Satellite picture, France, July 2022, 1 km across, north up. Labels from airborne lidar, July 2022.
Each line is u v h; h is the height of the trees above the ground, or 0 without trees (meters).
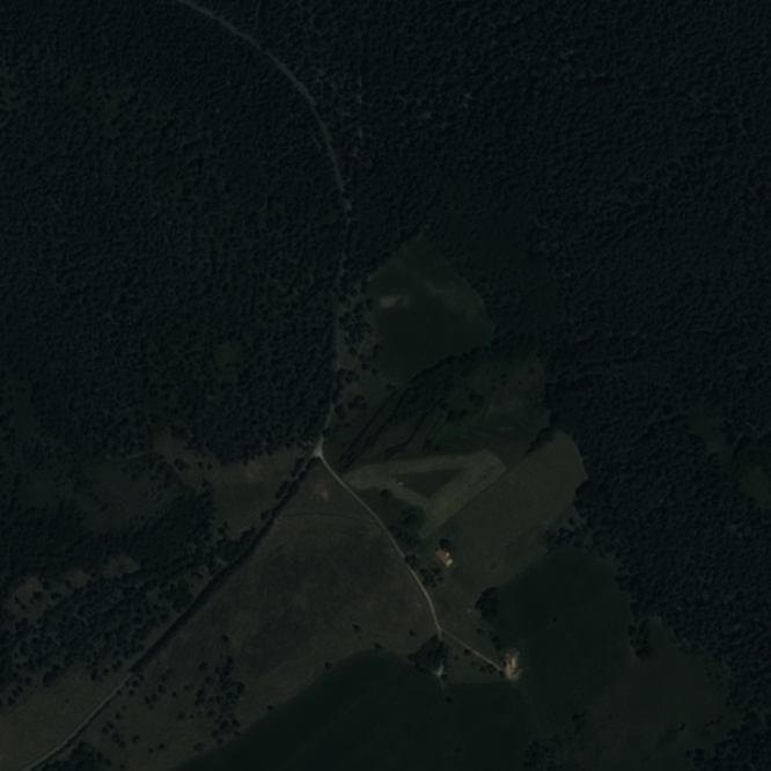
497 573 0
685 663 0
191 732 0
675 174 18
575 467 0
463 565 0
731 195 28
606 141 24
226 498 0
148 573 13
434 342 0
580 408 23
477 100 18
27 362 17
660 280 16
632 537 20
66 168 12
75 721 0
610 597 0
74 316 15
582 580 0
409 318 0
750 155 26
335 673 0
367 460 0
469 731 0
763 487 0
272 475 0
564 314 12
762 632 26
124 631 11
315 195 20
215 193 13
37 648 12
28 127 14
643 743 0
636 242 24
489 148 20
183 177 11
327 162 14
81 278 15
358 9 21
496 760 0
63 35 14
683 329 20
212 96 15
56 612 13
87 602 9
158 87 13
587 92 26
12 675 8
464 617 0
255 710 0
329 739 0
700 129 30
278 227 11
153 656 11
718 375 22
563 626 0
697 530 26
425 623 0
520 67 22
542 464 0
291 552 0
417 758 0
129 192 12
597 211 12
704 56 30
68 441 8
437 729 0
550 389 19
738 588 28
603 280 25
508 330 10
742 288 24
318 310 11
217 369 8
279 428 13
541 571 0
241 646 0
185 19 17
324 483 0
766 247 27
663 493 22
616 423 27
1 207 15
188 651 0
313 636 0
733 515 25
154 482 7
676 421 19
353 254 11
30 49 12
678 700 0
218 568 11
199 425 13
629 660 0
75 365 18
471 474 0
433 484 0
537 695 0
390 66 20
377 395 0
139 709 0
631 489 23
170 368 10
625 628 0
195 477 0
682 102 16
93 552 13
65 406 13
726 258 27
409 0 20
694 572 23
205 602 12
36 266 18
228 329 7
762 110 27
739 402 30
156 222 17
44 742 0
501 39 22
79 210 16
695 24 30
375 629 0
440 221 13
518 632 0
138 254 13
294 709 0
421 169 22
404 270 0
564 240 18
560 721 0
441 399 6
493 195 18
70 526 12
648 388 24
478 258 13
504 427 0
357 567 0
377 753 0
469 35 20
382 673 0
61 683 0
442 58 20
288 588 0
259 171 18
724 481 25
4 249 13
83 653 10
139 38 12
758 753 20
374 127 19
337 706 0
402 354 0
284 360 18
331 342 15
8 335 17
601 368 30
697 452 26
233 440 14
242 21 22
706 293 27
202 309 12
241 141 11
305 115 11
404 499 0
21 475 6
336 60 22
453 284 0
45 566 12
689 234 24
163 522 12
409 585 0
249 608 0
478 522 0
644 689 0
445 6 18
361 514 0
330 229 15
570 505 0
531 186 12
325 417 10
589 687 0
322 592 0
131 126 12
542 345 19
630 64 24
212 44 11
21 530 8
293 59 24
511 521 0
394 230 17
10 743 0
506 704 0
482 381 0
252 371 7
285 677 0
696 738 0
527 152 22
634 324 22
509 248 11
